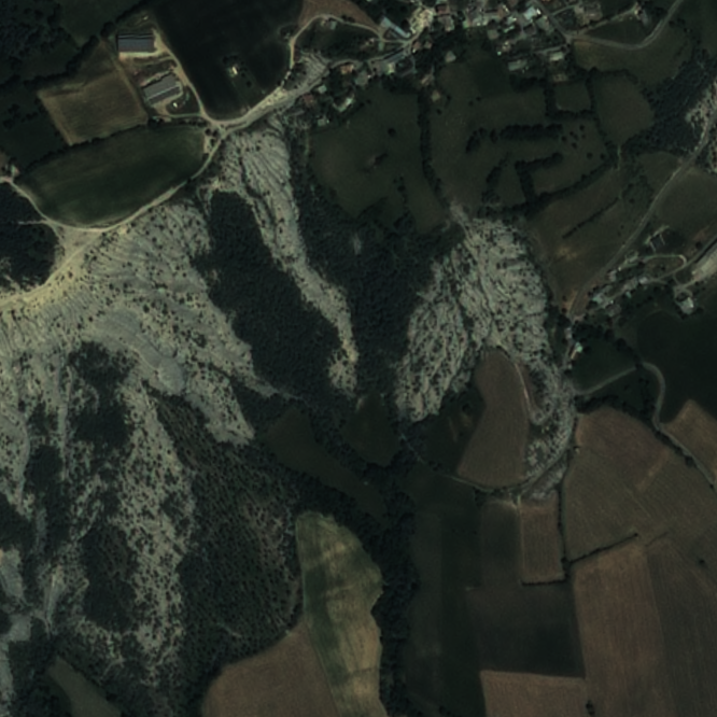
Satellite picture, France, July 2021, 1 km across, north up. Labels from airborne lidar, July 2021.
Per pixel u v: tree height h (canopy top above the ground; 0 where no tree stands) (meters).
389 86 9
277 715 0
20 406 8
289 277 6
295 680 0
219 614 6
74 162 0
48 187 0
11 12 17
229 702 0
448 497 0
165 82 0
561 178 0
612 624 0
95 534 8
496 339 0
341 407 12
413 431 11
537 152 0
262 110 0
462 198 0
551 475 0
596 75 12
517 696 0
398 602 16
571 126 0
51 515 9
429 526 0
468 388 7
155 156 0
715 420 0
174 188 0
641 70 0
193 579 7
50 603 0
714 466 0
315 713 0
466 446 0
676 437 0
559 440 0
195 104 0
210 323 0
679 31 0
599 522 0
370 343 11
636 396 0
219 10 0
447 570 0
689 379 0
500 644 0
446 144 0
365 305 15
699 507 0
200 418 11
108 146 0
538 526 0
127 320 0
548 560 0
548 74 9
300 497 9
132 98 0
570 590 0
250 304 7
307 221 7
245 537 10
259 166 0
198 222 6
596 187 0
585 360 0
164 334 0
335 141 0
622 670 0
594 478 0
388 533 13
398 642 14
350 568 0
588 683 0
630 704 0
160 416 6
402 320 9
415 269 8
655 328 0
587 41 0
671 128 9
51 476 7
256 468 14
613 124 0
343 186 0
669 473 0
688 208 0
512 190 0
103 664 9
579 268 0
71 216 0
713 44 0
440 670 0
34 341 0
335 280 7
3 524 8
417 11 0
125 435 7
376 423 0
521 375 0
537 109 0
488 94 0
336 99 10
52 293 0
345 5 0
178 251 0
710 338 0
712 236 0
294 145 7
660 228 0
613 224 0
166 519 0
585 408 12
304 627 0
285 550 6
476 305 0
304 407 11
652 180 0
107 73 0
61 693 0
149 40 0
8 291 0
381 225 13
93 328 0
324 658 0
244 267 9
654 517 0
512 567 0
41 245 11
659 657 0
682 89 11
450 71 0
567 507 0
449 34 8
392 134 14
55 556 7
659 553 0
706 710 0
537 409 0
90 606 8
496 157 0
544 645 0
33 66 0
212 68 0
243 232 9
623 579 0
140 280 0
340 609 0
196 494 7
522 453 0
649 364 0
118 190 0
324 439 16
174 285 0
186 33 0
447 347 0
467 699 0
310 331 10
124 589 8
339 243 7
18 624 0
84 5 0
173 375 0
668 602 0
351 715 0
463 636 0
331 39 0
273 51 0
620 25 0
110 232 0
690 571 0
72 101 0
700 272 0
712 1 0
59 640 9
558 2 0
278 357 9
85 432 7
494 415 0
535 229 0
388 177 0
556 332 0
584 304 0
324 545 0
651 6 8
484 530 0
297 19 0
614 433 0
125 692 7
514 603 0
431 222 0
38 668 8
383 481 20
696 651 0
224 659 9
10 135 0
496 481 0
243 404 7
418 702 0
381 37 0
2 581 0
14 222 7
